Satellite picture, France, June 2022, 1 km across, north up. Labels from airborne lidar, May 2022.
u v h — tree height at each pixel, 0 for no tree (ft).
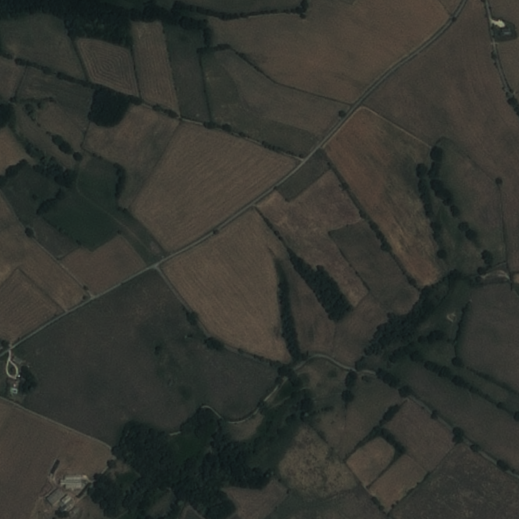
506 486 0
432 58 0
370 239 0
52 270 0
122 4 0
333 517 0
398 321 57
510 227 0
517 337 0
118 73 0
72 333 0
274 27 0
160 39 0
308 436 0
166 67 0
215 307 0
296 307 0
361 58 0
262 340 0
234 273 0
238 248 0
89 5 49
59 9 69
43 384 0
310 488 0
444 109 0
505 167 0
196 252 0
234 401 0
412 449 0
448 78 0
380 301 0
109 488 56
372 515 0
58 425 0
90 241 0
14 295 0
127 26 56
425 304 33
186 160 0
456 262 0
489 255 62
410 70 0
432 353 0
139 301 0
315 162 0
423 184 60
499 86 0
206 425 43
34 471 0
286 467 0
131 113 0
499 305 0
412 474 0
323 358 0
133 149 0
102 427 0
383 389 0
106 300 0
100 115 52
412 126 0
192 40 0
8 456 0
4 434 0
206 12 34
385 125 0
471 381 0
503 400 0
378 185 0
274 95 0
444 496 0
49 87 0
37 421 0
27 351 0
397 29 0
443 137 0
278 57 0
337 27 0
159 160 0
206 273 0
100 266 0
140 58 0
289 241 0
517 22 0
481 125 0
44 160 50
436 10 0
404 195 0
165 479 62
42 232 0
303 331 0
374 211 0
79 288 0
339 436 0
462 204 0
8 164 0
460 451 0
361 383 0
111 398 0
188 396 0
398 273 0
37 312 0
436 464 0
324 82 0
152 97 0
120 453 50
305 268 54
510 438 0
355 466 0
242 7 0
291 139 0
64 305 0
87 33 64
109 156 0
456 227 0
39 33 0
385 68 0
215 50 20
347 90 0
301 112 0
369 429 0
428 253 0
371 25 0
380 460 0
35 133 0
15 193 0
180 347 0
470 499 0
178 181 0
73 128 0
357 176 0
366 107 0
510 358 0
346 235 0
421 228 0
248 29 0
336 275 0
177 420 0
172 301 0
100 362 0
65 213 0
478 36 0
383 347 59
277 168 0
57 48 0
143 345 0
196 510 48
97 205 0
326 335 0
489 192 0
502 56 0
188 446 0
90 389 0
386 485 0
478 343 0
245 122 0
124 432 23
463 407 0
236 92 0
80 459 0
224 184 0
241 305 0
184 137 0
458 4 0
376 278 0
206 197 0
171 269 0
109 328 0
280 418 0
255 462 0
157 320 0
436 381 0
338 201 0
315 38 0
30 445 0
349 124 0
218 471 52
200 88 0
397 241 0
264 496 0
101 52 0
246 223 0
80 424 0
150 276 0
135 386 0
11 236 0
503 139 0
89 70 0
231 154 0
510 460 0
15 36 0
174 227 0
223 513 67
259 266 0
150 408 0
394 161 0
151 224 0
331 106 0
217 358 0
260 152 0
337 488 0
